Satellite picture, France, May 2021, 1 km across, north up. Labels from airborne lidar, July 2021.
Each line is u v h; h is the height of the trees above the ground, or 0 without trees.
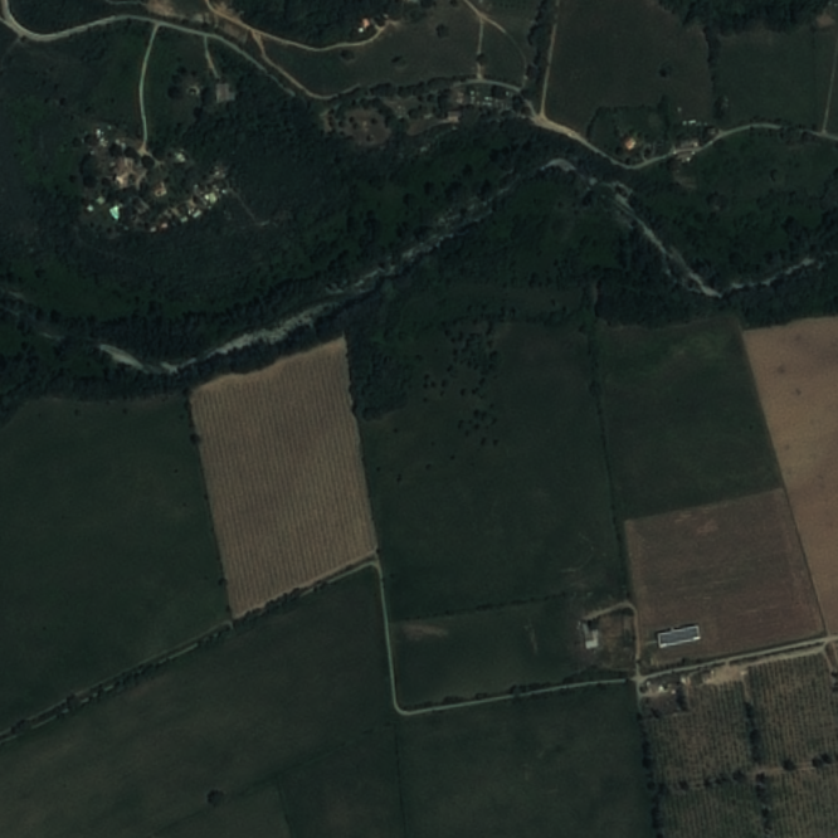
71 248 12
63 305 0
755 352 0
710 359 0
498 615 0
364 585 0
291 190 6
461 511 0
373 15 6
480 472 0
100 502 0
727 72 0
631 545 0
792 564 0
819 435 0
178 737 0
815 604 0
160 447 0
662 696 0
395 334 8
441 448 0
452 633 0
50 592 0
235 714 0
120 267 13
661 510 0
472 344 12
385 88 14
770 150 0
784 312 15
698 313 10
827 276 11
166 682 0
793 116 0
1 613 0
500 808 0
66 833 0
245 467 0
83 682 0
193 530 0
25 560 0
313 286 11
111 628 0
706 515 0
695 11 12
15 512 0
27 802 0
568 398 0
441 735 0
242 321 22
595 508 0
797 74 0
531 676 0
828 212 15
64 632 0
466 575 0
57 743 0
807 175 0
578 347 0
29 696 0
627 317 13
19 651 0
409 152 6
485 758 0
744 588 0
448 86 12
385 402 12
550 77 0
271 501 0
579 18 0
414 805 0
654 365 0
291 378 0
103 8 9
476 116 13
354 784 0
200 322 23
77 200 7
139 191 7
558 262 10
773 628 0
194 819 0
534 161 7
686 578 0
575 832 0
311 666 0
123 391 12
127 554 0
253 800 0
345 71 0
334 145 17
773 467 0
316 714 0
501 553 0
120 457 0
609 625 0
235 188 7
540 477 0
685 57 0
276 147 9
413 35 0
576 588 0
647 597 0
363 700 0
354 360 10
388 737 0
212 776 0
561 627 0
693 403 0
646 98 0
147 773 0
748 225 9
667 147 7
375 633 0
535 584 0
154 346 31
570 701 0
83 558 0
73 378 15
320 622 0
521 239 8
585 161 18
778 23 11
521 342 0
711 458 0
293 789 0
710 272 30
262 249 9
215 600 0
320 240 13
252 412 0
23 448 0
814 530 0
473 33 0
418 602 0
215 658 0
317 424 0
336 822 0
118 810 0
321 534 0
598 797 0
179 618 0
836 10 0
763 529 0
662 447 0
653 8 0
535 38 14
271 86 8
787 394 0
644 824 0
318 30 9
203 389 0
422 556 0
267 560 0
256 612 8
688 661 9
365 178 18
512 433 0
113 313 0
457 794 0
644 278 8
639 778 0
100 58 9
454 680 0
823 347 0
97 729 0
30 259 9
